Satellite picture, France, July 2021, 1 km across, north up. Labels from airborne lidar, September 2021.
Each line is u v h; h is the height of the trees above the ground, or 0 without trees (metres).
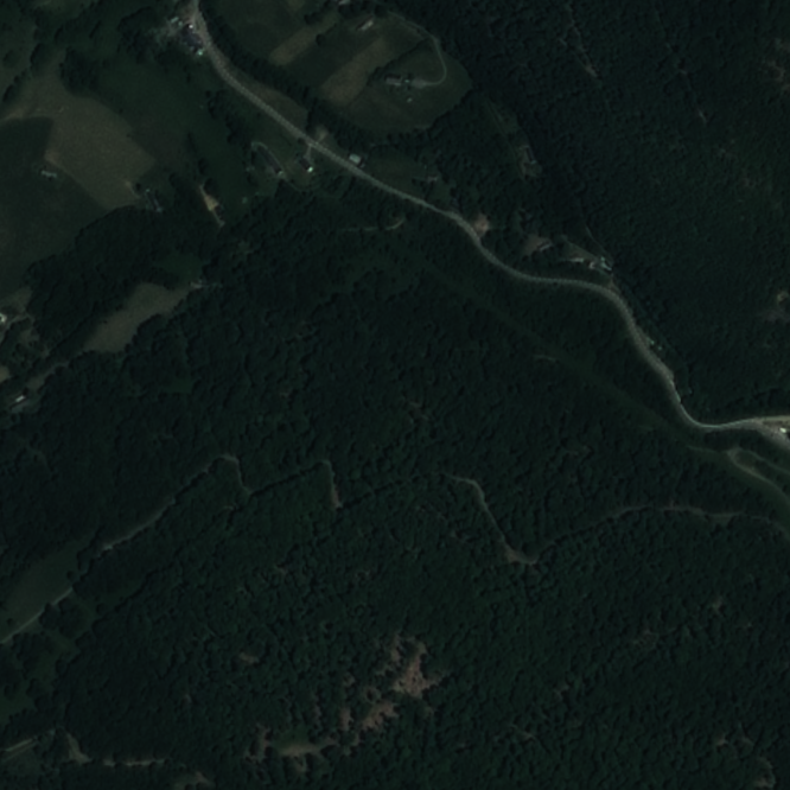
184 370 16
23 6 11
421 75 0
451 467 25
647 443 15
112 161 0
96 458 27
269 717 26
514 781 22
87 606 0
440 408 24
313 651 27
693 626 22
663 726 19
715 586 27
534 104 27
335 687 28
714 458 0
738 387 22
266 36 0
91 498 26
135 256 28
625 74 18
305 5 0
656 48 23
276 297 19
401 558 24
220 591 27
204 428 25
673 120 13
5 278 0
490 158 23
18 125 0
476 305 15
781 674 26
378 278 16
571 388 27
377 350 26
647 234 14
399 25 0
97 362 19
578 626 18
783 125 18
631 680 23
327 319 21
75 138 0
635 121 15
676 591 24
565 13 24
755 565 22
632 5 19
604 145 17
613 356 16
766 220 11
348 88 0
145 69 0
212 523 21
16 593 0
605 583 24
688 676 23
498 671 20
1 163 0
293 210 6
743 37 14
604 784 26
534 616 23
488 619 29
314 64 0
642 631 25
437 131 19
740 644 19
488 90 23
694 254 13
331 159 0
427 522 25
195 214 12
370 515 19
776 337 19
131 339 0
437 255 10
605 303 11
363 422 22
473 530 9
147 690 13
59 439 15
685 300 12
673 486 28
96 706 15
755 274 13
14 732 15
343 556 21
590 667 23
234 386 15
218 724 27
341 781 15
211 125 0
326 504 22
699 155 9
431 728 33
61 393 17
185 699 25
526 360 17
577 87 23
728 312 10
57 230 0
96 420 25
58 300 31
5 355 22
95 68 9
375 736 24
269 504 24
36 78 0
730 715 28
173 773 12
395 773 29
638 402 6
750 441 14
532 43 24
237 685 30
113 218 13
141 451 16
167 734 15
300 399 23
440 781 27
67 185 0
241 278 10
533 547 25
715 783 26
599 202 22
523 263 20
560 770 27
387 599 29
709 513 16
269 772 24
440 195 0
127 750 19
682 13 19
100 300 10
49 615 17
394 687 26
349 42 0
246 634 29
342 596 25
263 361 29
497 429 23
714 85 18
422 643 30
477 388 21
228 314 20
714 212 9
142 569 14
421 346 20
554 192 22
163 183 0
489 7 20
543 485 20
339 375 22
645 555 24
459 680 25
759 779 24
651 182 14
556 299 9
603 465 24
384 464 30
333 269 18
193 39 0
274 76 16
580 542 10
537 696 27
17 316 8
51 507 18
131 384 6
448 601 29
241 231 21
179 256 0
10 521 15
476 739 17
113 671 17
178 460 15
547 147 27
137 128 0
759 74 12
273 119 0
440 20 28
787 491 10
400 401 31
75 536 18
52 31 8
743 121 10
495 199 6
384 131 0
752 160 10
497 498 28
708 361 26
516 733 23
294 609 24
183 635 27
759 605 23
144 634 27
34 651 18
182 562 24
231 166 0
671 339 18
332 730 22
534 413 27
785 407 8
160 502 19
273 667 26
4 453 15
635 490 25
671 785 25
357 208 17
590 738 25
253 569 30
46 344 7
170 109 0
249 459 27
